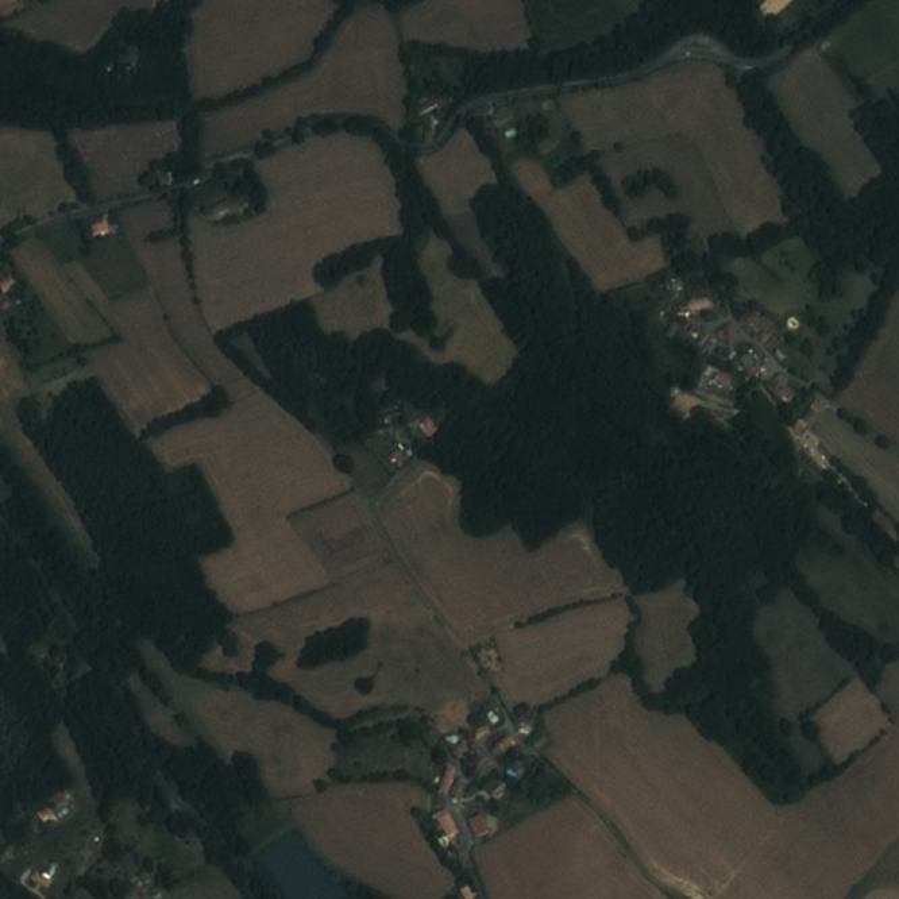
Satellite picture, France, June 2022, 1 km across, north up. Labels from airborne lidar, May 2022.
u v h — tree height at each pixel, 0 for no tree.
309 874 0
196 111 10
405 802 0
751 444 20
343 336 8
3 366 0
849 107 0
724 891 0
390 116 0
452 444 13
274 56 0
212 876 0
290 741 0
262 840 0
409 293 16
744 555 16
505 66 17
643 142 0
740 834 0
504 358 0
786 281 0
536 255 17
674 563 13
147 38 15
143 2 0
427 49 8
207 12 0
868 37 0
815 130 0
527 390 24
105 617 21
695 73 0
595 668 0
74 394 6
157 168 16
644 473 20
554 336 12
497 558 0
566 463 18
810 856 0
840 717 0
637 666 19
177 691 0
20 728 13
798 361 0
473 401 15
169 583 19
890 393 0
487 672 13
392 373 18
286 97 0
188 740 0
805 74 0
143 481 11
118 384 0
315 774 0
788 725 12
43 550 12
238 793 9
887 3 0
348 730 10
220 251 0
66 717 16
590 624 0
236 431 0
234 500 0
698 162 0
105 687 17
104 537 19
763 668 16
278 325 17
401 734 10
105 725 23
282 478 0
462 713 0
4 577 13
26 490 19
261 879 11
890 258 26
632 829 0
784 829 0
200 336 0
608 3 0
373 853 0
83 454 19
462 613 0
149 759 23
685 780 0
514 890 0
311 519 0
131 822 0
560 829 0
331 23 10
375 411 14
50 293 0
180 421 11
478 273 14
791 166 25
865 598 0
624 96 0
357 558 0
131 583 21
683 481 19
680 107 0
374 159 0
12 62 11
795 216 9
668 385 8
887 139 18
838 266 12
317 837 0
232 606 0
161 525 19
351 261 16
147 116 22
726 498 18
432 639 0
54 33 0
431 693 0
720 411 0
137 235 0
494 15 0
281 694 21
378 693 0
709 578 22
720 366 6
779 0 0
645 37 19
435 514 0
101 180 0
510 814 0
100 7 0
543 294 19
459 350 0
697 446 16
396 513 0
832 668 0
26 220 13
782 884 0
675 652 0
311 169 0
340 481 0
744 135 0
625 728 0
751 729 19
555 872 0
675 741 0
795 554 12
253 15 0
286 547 0
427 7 0
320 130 18
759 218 0
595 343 16
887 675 0
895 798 0
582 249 0
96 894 15
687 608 0
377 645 0
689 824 0
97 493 19
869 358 0
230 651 16
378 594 0
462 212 0
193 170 20
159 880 10
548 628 0
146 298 0
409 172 17
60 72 10
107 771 7
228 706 0
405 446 8
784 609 0
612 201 20
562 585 0
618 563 13
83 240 6
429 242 0
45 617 17
